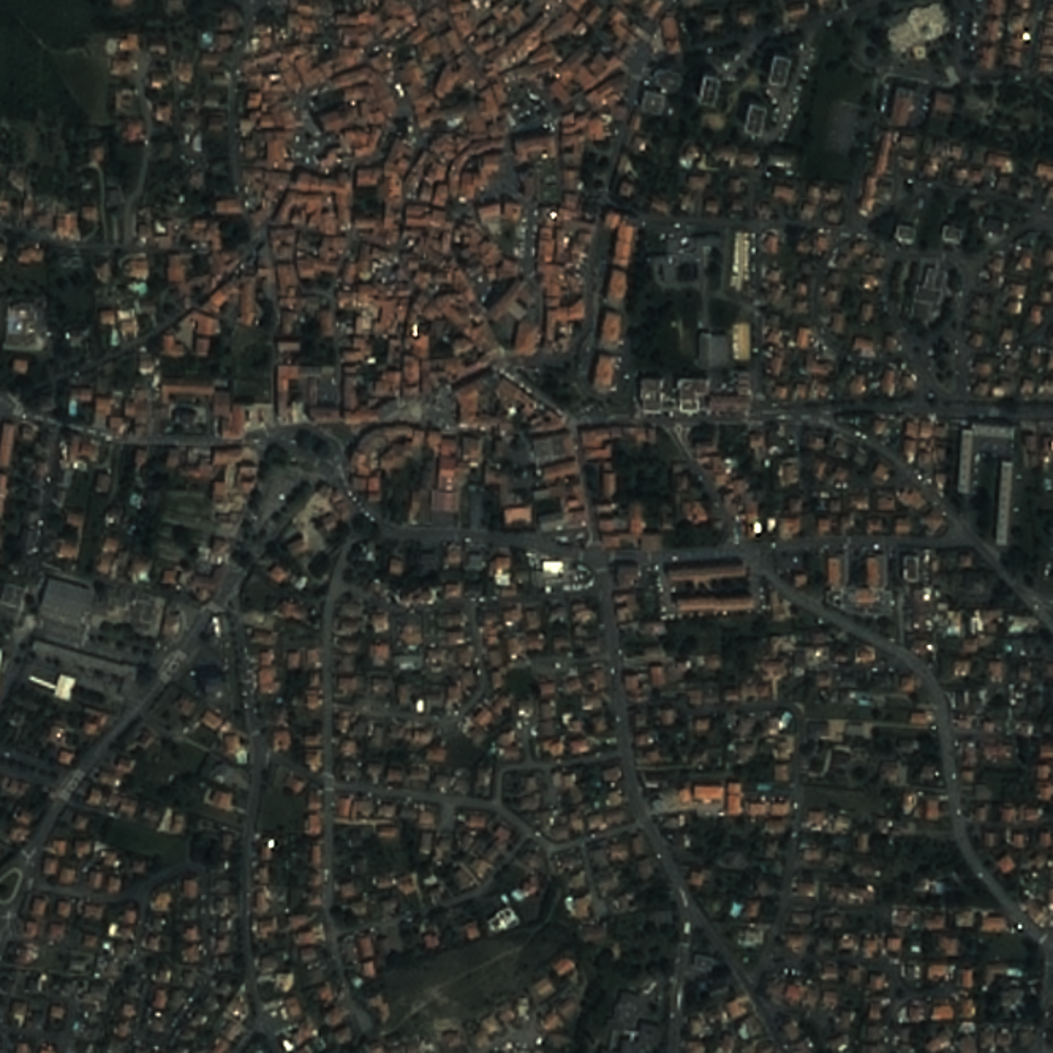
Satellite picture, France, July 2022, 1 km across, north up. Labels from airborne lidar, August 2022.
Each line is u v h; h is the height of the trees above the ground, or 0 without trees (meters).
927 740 12
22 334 0
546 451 0
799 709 0
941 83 0
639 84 0
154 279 8
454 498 0
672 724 9
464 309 0
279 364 0
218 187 11
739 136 10
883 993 6
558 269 0
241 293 0
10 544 9
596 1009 12
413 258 0
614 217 0
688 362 0
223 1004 7
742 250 0
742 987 0
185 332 0
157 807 7
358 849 5
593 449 0
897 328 0
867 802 0
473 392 0
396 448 0
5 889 7
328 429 0
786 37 7
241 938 7
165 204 6
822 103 0
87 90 0
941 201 14
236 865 8
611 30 10
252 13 0
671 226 0
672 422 0
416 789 0
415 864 8
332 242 0
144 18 6
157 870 14
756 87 0
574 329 7
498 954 0
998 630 8
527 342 0
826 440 8
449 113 0
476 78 0
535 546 0
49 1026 6
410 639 0
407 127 8
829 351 0
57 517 10
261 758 0
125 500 5
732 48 7
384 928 0
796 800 0
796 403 0
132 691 0
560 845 0
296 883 6
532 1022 0
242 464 0
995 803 7
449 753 0
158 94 10
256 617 0
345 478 0
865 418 6
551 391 6
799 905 0
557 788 0
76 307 0
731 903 8
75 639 0
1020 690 6
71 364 7
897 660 0
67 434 14
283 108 0
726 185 6
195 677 0
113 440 0
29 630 0
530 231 0
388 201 0
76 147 12
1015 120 6
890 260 0
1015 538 9
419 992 0
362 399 6
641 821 0
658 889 6
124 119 6
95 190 5
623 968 10
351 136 0
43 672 0
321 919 0
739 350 0
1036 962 11
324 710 0
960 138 6
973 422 0
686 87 14
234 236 10
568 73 0
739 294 0
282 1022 0
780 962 7
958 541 0
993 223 0
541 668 0
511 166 0
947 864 7
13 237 6
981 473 0
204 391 0
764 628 8
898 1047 0
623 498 18
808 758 10
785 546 0
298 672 9
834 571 0
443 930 5
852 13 0
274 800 0
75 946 0
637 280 11
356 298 0
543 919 6
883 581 0
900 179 0
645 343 19
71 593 0
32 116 7
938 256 0
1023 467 0
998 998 16
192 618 0
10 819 12
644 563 0
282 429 0
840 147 0
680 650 6
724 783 0
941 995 0
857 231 0
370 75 0
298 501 9
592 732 13
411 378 0
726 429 7
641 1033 0
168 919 9
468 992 0
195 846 7
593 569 0
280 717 0
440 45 0
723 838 7
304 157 0
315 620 8
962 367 0
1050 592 0
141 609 0
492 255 0
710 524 13
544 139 0
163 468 6
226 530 0
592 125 0
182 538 14
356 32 0
